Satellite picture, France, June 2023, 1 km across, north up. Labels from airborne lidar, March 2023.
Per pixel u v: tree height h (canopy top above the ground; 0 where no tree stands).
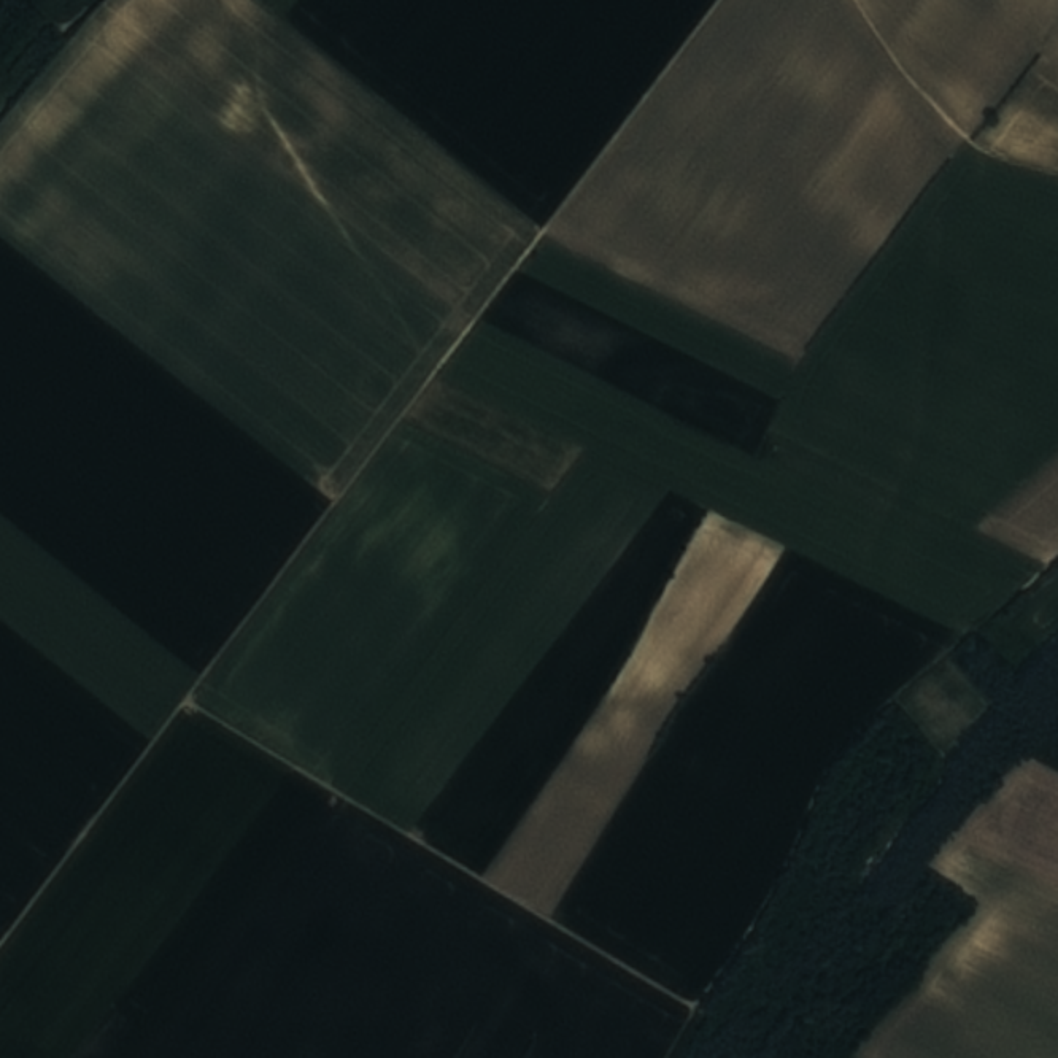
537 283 0
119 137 0
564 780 0
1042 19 0
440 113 0
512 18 0
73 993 0
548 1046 0
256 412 0
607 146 0
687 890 0
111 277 0
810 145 0
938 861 0
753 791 0
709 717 0
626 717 0
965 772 16
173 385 0
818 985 11
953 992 0
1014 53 0
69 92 0
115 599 0
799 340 0
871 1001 17
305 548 0
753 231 0
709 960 0
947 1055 0
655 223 0
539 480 0
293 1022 0
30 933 0
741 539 0
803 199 0
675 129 0
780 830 0
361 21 0
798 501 0
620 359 0
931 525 0
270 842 0
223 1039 0
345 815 0
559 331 0
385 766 0
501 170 0
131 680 0
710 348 0
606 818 0
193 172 0
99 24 0
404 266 0
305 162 0
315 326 0
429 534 0
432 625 0
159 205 0
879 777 14
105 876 0
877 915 9
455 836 0
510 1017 0
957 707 0
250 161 0
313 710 0
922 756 15
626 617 0
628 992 0
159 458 0
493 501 0
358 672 0
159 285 0
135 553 0
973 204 0
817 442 0
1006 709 15
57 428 0
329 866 0
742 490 0
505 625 0
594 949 0
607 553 0
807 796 0
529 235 0
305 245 0
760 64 0
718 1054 15
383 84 0
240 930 0
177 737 0
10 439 0
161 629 0
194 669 0
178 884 0
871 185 0
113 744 0
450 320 0
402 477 0
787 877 9
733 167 0
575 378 0
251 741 0
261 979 0
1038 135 0
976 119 0
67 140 0
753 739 0
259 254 0
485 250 0
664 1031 0
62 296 0
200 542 0
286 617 0
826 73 0
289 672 0
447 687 0
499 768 0
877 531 0
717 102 0
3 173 0
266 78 0
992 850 0
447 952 0
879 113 0
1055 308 0
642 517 0
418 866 0
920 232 0
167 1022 0
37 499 0
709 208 0
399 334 0
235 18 0
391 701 0
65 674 0
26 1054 0
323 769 0
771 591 0
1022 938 0
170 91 0
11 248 0
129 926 0
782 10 0
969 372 0
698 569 0
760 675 0
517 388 0
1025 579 0
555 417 0
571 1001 0
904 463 0
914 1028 0
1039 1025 0
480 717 0
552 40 0
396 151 0
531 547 0
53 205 0
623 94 0
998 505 0
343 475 0
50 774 0
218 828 0
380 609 0
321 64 0
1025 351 0
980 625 0
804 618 0
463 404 0
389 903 0
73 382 0
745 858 0
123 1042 0
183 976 0
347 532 0
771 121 0
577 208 0
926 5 0
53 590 0
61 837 0
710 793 0
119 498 0
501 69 0
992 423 0
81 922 0
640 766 0
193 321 0
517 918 0
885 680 0
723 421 0
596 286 0
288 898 0
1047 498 0
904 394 0
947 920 8
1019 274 0
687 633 0
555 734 0
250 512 0
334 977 0
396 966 0
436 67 0
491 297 0
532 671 0
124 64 0
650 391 0
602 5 0
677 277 0
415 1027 0
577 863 0
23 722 0
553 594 0
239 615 0
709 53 0
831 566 0
